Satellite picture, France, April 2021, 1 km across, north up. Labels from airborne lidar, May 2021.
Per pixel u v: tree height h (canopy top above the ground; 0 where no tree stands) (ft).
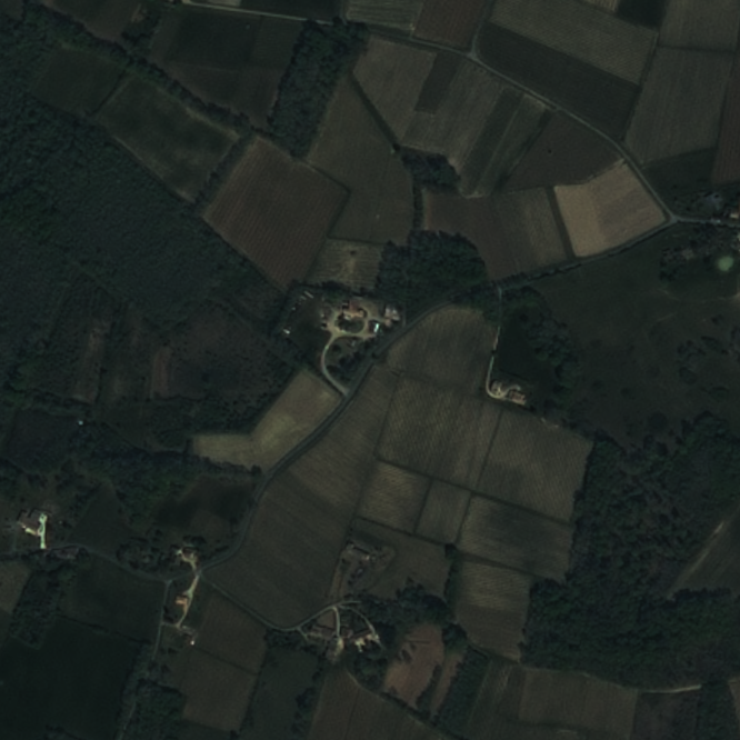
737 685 0
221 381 20
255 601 0
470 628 0
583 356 0
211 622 0
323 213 0
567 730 0
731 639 36
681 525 47
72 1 0
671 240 0
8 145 46
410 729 0
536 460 0
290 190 0
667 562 50
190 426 20
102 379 34
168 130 0
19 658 0
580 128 0
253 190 0
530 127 0
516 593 0
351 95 0
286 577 0
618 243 0
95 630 28
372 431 0
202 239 39
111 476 72
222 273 44
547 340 44
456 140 0
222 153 0
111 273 39
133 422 0
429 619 63
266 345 21
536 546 0
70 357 20
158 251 33
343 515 0
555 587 51
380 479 0
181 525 0
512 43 0
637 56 0
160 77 56
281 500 0
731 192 0
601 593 68
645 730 0
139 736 29
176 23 0
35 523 0
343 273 0
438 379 0
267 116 0
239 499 0
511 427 0
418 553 0
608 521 59
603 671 54
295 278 0
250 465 0
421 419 0
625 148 0
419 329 0
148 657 39
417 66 0
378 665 31
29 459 38
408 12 0
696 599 59
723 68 0
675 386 0
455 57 0
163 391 0
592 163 0
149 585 0
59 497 24
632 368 0
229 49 0
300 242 0
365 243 0
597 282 0
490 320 44
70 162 49
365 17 0
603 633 65
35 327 43
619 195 0
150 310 47
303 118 44
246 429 39
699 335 0
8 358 41
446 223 0
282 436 0
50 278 25
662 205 0
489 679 0
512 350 0
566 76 0
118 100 0
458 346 0
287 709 0
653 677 56
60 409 52
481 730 0
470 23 0
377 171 0
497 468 0
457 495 0
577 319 0
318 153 0
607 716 0
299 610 0
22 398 70
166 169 0
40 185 68
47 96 0
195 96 37
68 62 0
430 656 0
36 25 39
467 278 74
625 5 0
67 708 0
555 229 0
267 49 0
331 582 0
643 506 71
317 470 0
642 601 49
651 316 0
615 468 67
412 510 0
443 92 0
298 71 60
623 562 68
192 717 0
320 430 0
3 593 0
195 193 0
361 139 0
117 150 32
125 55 66
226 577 0
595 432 29
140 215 19
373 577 0
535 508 0
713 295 0
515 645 0
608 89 0
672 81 0
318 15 0
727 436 29
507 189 0
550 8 0
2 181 55
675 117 0
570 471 0
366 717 0
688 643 58
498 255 0
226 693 0
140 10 0
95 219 26
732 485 47
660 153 0
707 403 0
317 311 0
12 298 40
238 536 36
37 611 28
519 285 45
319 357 0
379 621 31
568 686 0
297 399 0
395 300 60
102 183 33
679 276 20
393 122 0
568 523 0
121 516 22
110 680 0
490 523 0
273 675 0
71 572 64
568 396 49
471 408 0
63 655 0
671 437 34
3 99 35
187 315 47
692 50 0
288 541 0
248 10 0
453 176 66
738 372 0
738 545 0
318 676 25
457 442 0
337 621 0
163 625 0
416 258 54
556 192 0
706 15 0
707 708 43
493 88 0
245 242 0
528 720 0
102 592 0
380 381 0
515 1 0
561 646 69
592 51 0
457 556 40
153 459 50
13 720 0
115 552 0
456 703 33
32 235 55
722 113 0
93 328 0
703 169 0
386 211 0
